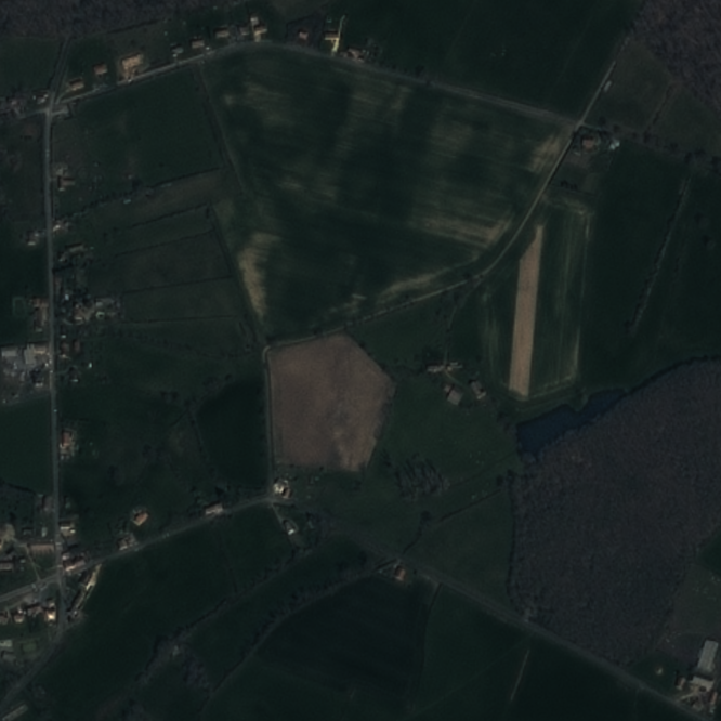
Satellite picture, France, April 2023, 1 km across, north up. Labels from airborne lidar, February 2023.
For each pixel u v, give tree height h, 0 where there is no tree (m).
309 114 0
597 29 0
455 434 0
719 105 13
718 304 0
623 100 0
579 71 0
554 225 0
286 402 0
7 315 0
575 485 11
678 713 0
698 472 13
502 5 0
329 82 0
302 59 0
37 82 0
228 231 0
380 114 0
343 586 12
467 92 0
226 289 0
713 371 13
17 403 0
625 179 0
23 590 0
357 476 0
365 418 0
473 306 0
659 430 13
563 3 0
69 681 0
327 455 0
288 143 0
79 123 0
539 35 0
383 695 0
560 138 0
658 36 22
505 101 0
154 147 0
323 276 0
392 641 0
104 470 0
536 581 11
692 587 0
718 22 25
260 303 0
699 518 14
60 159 0
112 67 0
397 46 0
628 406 13
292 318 0
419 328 0
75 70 0
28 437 0
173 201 0
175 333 0
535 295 0
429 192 0
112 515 0
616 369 0
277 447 0
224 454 0
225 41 0
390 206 0
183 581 0
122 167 0
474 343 0
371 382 0
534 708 0
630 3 0
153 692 0
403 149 0
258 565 0
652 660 0
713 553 0
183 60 0
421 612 0
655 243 0
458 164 0
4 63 0
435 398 0
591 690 0
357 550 0
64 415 0
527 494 10
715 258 0
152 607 0
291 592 0
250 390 0
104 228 0
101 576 0
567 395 0
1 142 0
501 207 0
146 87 0
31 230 0
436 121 0
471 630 0
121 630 0
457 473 0
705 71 17
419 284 0
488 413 0
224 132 0
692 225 0
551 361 0
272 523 0
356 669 0
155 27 0
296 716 0
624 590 14
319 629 0
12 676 17
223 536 0
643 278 0
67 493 0
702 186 0
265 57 0
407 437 0
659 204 0
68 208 0
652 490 13
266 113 0
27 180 0
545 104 0
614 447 12
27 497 17
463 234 0
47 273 0
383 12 0
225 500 19
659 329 0
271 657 0
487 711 0
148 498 0
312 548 10
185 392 0
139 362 0
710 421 13
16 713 0
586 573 13
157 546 0
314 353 0
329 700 0
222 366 0
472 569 0
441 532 0
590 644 11
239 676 0
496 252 0
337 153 0
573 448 12
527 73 0
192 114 0
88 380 0
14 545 0
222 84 0
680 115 0
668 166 0
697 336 0
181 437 0
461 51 0
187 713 0
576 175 0
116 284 0
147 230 0
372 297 0
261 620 0
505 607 0
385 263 0
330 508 0
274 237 0
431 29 0
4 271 0
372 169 0
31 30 18
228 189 0
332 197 0
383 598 0
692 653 0
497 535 0
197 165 0
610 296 0
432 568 0
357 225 0
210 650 0
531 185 0
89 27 22
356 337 0
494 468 0
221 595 0
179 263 0
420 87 0
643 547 14
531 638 0
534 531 11
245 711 0
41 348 0
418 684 0
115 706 0
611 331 0
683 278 0
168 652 16
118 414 0
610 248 0
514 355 0
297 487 0
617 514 12
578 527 12
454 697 0
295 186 0
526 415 0
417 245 0
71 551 10
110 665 0
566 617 12
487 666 0
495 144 0
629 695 0
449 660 0
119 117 0
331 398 0
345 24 0
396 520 0
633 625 15
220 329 0
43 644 0
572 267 0
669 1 23
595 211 0
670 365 0
